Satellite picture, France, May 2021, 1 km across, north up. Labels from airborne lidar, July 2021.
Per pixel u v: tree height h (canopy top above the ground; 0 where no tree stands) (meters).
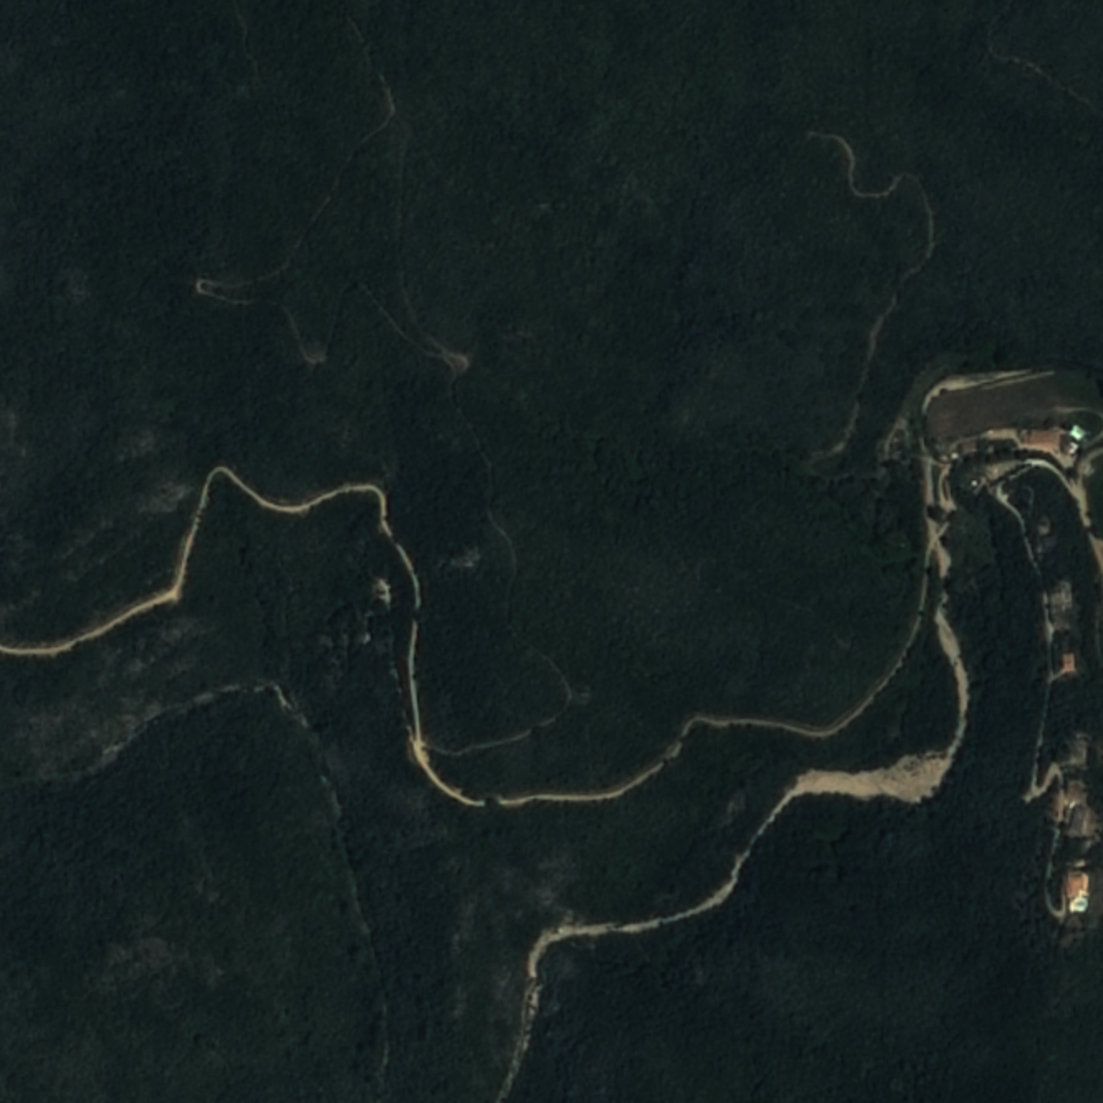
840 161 6
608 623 10
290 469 6
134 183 10
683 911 7
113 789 9
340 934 9
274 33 10
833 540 8
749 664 7
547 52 7
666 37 8
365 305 9
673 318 6
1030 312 10
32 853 9
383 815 10
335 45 7
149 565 9
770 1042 6
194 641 9
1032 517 5
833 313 10
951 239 6
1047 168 8
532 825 6
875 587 7
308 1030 6
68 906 6
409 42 14
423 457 8
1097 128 8
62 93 5
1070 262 6
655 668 7
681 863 6
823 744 6
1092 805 10
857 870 10
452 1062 7
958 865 9
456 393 7
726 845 6
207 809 17
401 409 13
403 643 9
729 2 7
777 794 6
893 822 11
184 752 9
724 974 6
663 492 8
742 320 8
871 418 7
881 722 10
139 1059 11
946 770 0
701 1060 8
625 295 12
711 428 13
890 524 16
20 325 11
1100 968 7
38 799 9
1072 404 0
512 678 6
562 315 9
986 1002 10
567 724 7
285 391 6
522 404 13
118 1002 7
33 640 7
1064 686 9
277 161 9
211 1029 7
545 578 7
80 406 8
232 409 8
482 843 12
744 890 10
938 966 6
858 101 6
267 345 9
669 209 11
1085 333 8
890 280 9
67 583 7
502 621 7
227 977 7
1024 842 8
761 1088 12
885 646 6
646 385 12
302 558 6
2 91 6
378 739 8
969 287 8
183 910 9
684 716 9
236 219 7
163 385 9
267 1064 9
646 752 9
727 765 11
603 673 11
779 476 8
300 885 10
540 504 9
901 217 6
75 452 5
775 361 6
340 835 22
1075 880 0
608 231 10
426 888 8
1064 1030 9
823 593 9
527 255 7
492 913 7
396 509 6
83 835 8
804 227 7
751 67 7
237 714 8
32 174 8
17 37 7
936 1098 7
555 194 9
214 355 6
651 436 18
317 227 8
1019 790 8
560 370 6
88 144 7
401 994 9
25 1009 7
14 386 8
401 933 10
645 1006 10
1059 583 7
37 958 6
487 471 7
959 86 13
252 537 10
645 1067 6
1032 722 12
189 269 6
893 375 9
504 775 8
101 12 6
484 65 5
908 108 6
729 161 8
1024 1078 6
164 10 6
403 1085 7
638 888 8
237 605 9
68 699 7
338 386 10
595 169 7
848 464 14
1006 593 11
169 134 9
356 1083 7
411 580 9
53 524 9
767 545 6
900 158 8
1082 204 7
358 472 8
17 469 6
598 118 6
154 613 6
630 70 7
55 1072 6
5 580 6
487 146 9
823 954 9
